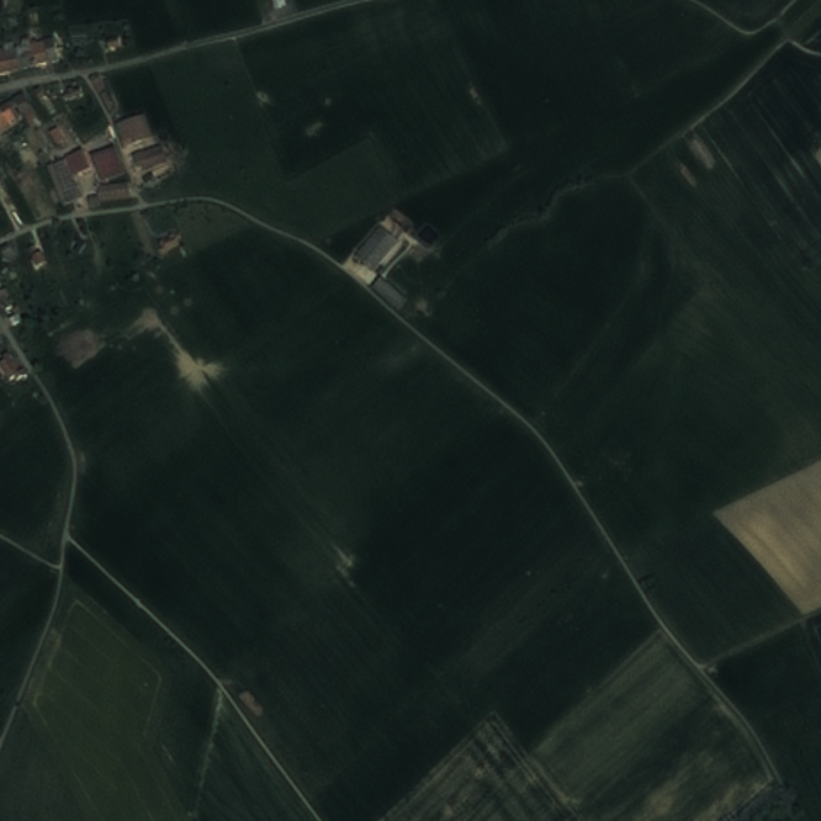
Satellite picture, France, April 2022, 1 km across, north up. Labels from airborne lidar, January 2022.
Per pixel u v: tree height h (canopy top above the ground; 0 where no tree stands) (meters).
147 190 0
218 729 0
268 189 0
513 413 0
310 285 0
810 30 0
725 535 0
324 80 0
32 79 0
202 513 0
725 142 0
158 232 0
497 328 0
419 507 0
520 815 0
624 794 0
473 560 0
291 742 0
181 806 0
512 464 0
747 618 0
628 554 0
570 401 0
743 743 0
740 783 0
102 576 0
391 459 0
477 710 0
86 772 0
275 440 0
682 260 0
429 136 0
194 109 0
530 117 0
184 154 0
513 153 0
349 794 0
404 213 0
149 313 0
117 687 0
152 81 0
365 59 0
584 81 0
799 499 0
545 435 0
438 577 0
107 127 0
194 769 0
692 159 0
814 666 0
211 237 0
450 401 0
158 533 0
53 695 0
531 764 0
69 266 0
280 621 0
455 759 0
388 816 0
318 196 0
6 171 0
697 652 0
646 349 0
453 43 0
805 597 0
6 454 0
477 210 0
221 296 0
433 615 0
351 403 0
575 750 0
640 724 0
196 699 0
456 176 0
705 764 0
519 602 0
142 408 0
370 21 0
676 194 0
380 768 0
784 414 0
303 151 0
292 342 0
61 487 0
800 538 0
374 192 0
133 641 0
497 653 0
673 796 0
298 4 0
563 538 0
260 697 0
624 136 0
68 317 0
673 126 0
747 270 0
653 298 0
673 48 0
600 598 0
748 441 0
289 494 0
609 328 0
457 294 0
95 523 0
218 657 0
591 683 0
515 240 0
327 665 0
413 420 0
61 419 0
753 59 0
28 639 0
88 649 0
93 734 0
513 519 0
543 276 0
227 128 0
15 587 0
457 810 0
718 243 0
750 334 0
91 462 0
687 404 0
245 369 0
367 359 0
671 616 0
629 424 0
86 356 0
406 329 0
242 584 0
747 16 0
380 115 0
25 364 0
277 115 0
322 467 0
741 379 0
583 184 12
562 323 0
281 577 0
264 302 0
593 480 0
